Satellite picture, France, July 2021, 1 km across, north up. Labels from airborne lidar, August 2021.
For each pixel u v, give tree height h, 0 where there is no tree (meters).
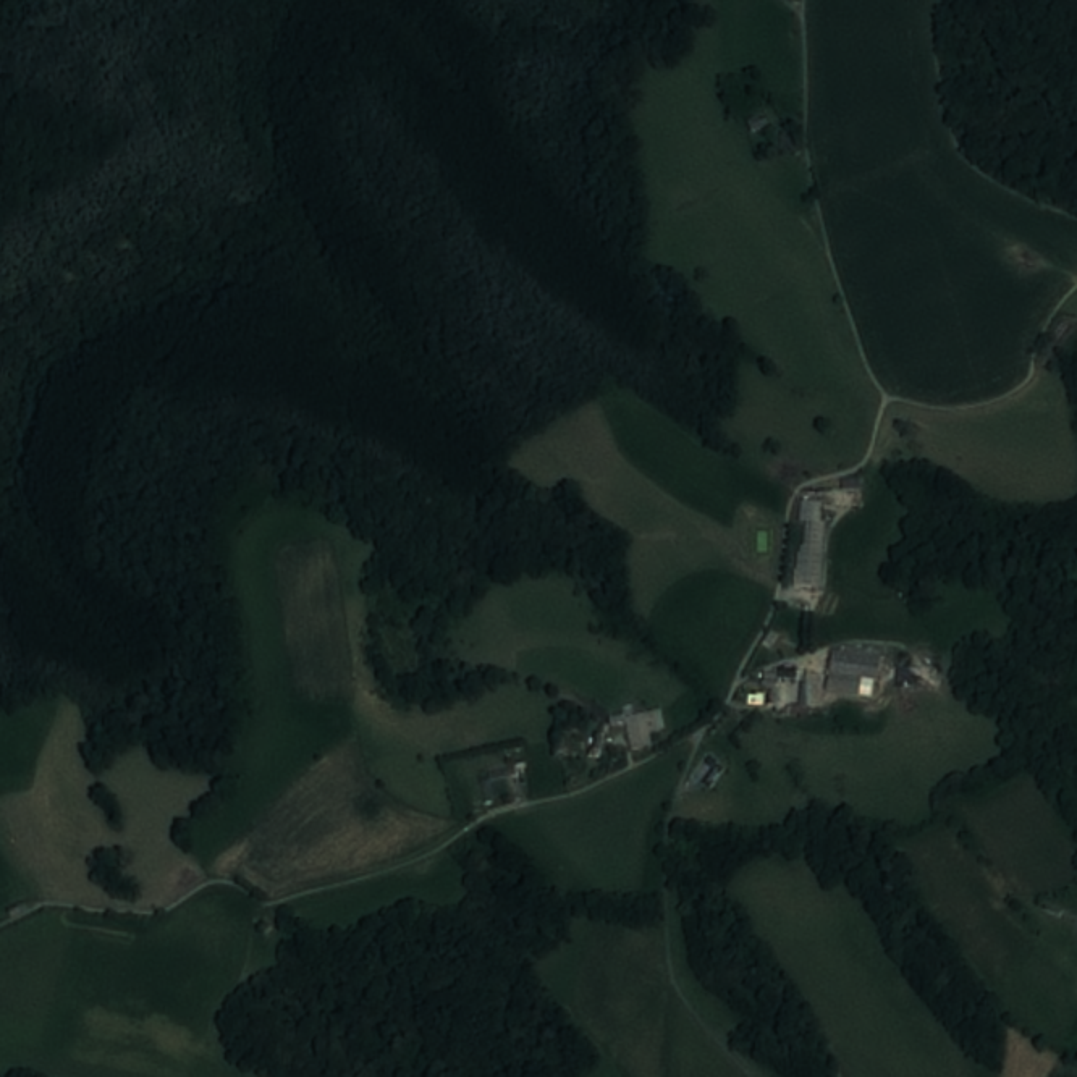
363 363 17
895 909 27
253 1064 23
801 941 0
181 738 23
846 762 0
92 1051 0
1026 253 0
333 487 19
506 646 0
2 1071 0
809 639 9
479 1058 25
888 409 0
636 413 0
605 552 22
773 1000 22
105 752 23
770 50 0
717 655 0
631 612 7
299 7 21
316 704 0
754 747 0
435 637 12
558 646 0
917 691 0
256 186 19
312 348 20
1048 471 0
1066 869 0
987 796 0
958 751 0
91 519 16
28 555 13
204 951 0
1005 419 0
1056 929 0
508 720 0
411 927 25
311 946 31
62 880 0
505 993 23
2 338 21
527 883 19
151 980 0
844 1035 0
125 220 19
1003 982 0
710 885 21
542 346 13
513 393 14
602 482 0
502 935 26
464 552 22
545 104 12
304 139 23
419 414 27
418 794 0
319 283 16
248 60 19
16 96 25
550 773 0
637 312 21
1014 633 13
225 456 22
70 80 21
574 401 13
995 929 0
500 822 0
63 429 22
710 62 0
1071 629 19
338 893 0
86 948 0
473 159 21
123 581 22
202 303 23
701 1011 0
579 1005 0
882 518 0
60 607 27
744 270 0
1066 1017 0
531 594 0
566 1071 16
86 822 0
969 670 12
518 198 24
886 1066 0
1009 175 24
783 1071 8
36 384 19
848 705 0
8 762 0
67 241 11
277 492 8
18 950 0
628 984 0
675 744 7
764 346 0
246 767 0
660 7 28
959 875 0
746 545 0
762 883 0
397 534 24
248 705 8
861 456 0
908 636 0
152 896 0
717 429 20
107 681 15
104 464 13
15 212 22
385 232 12
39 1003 0
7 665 11
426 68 22
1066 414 0
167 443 21
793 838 19
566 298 19
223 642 23
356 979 27
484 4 12
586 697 0
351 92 13
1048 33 26
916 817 0
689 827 21
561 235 24
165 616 20
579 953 0
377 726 0
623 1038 0
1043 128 21
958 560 22
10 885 0
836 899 0
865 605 0
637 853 0
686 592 0
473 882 16
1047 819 0
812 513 0
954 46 19
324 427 15
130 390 20
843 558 0
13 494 20
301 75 18
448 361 14
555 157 11
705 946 11
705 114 0
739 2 0
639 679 0
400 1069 15
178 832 18
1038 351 12
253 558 0
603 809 0
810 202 12
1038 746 20
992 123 17
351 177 14
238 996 14
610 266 25
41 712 0
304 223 15
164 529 26
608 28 19
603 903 21
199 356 22
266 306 22
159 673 23
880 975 0
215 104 19
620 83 19
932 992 22
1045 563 27
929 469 24
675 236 0
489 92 19
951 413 0
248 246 13
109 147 25
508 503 15
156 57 20
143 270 20
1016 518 10
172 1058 0
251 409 13
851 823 23
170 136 16
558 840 0
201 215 14
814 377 0
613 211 25
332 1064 18
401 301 22
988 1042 19
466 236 13
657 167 0
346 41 12
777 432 0
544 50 13
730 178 0
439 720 0
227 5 17
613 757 8
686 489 0
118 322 13
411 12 25
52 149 24
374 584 18
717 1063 0
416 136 14
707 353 11
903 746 0
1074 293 0
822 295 0
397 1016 17
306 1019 8
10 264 17
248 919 0
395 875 0
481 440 26
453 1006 27
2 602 9
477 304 14
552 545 20
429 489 21
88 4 18
